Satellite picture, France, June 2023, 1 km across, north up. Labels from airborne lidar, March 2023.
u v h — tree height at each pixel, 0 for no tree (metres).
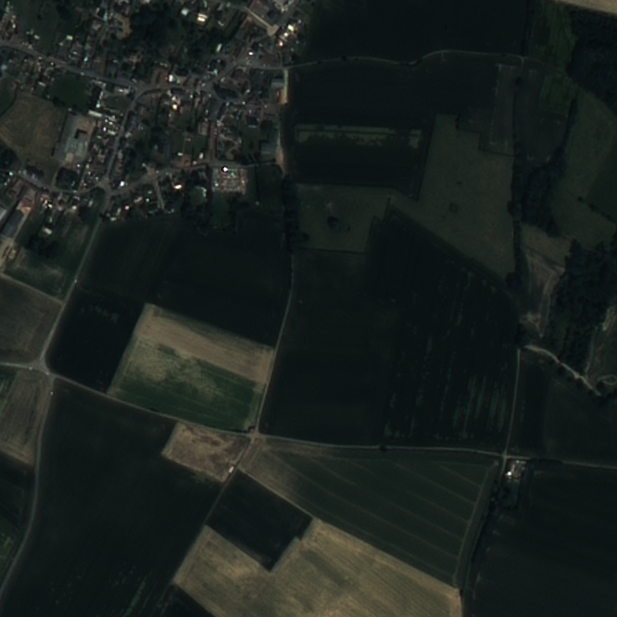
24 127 0
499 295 0
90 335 0
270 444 0
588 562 0
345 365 0
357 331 0
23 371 0
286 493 0
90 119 0
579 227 0
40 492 0
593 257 6
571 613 0
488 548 0
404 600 0
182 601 0
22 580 0
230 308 0
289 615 0
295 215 18
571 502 0
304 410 0
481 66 0
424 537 0
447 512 0
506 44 0
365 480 0
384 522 0
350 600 0
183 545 0
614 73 36
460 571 0
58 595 0
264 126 12
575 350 8
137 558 0
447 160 0
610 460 0
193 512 0
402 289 0
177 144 0
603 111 0
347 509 0
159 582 0
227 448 0
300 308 0
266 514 0
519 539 0
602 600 0
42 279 0
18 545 0
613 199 0
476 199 0
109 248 0
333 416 0
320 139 0
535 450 0
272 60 0
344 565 0
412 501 0
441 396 0
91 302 0
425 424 0
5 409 0
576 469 0
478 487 0
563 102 0
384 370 0
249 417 0
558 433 0
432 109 0
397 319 0
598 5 0
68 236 0
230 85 0
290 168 0
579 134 0
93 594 0
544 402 0
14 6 0
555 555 0
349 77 0
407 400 0
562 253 0
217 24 0
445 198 0
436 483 0
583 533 0
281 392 0
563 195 0
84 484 0
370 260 0
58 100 11
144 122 11
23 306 0
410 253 0
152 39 19
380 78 0
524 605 0
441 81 0
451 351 0
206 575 0
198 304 0
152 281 0
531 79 0
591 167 0
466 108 0
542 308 0
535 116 0
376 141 0
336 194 0
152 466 0
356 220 0
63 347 0
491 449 0
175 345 0
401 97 0
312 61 0
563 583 0
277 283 0
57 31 0
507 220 0
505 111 0
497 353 0
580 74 33
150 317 0
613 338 0
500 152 0
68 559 0
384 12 0
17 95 0
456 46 0
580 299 14
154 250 0
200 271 0
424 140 0
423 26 0
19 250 0
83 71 0
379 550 0
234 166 0
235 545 0
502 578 0
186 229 0
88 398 0
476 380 0
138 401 0
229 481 0
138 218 0
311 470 0
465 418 0
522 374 0
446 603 0
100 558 0
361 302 0
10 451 0
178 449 0
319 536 0
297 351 0
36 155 0
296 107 0
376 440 0
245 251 0
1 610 0
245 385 0
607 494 0
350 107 0
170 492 0
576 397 0
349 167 0
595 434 0
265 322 0
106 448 0
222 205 0
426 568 0
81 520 0
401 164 0
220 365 0
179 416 0
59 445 0
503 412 0
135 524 0
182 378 0
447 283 0
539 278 0
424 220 0
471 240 0
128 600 0
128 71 11
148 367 0
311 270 0
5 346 0
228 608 0
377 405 0
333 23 0
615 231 0
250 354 0
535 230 0
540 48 0
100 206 0
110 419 0
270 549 0
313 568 0
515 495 0
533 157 0
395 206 0
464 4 0
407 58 0
